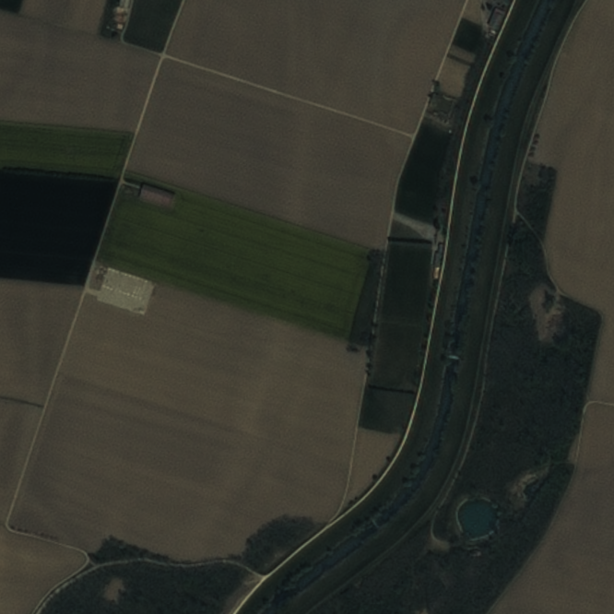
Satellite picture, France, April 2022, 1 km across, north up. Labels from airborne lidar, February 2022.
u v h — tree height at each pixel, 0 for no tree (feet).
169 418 0
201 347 0
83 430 0
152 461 0
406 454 0
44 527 0
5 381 0
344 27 0
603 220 0
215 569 61
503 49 0
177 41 0
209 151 0
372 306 0
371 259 29
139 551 46
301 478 0
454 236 0
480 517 0
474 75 25
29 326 0
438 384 0
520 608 0
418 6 0
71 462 0
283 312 0
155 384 0
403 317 0
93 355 0
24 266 0
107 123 0
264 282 0
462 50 0
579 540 0
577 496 0
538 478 0
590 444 0
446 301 0
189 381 0
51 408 0
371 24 0
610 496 0
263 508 0
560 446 56
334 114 0
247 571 44
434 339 0
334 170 0
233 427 0
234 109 0
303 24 0
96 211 0
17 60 0
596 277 0
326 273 0
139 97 0
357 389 0
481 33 0
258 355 0
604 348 0
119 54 0
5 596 0
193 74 0
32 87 0
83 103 0
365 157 0
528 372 57
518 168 0
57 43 0
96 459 0
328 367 0
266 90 0
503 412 60
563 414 60
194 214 0
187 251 0
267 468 0
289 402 0
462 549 46
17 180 0
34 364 0
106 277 0
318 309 0
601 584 0
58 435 0
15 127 0
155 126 0
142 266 0
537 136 0
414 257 0
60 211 0
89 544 0
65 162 0
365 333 0
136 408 0
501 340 55
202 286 0
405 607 52
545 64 0
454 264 0
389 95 0
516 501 0
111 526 0
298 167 0
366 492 0
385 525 31
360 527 50
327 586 0
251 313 0
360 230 0
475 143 0
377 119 0
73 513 0
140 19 0
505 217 0
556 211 0
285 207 0
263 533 43
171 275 0
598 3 0
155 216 0
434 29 0
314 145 0
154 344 0
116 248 0
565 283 0
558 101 0
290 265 0
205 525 0
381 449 0
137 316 0
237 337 0
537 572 0
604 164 0
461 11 0
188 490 0
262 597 0
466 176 0
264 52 0
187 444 0
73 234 0
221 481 0
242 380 0
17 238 0
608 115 0
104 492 0
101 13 0
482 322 0
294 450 0
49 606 47
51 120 0
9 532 0
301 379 0
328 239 0
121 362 0
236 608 0
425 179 0
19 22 0
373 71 0
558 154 0
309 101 0
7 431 0
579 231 0
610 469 0
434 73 0
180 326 0
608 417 0
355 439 0
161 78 0
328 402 0
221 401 0
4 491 0
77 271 0
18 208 0
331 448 0
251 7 0
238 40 0
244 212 0
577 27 0
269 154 0
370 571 0
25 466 0
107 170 0
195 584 56
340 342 0
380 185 0
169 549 0
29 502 0
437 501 0
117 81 0
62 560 0
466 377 0
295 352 0
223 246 0
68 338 0
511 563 62
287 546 52
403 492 0
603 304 0
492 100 0
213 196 0
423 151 0
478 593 51
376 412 0
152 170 0
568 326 44
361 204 0
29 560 0
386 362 0
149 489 0
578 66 0
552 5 36
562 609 0
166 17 0
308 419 0
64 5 0
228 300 0
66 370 0
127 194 0
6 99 0
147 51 0
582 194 0
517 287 42
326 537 0
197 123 0
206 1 0
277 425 0
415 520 0
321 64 0
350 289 0
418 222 0
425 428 0
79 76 0
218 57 0
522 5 0
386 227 0
